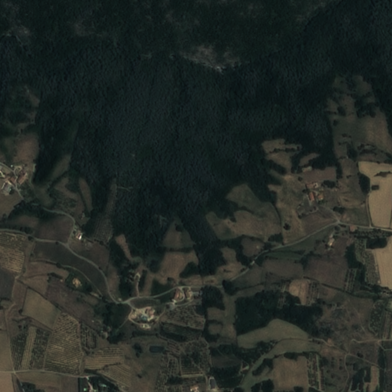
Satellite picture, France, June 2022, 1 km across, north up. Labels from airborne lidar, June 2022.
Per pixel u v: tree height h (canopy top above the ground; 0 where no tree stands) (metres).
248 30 7
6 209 0
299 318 8
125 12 11
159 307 0
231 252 0
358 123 0
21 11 10
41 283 0
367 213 0
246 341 0
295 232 0
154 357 0
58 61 16
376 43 16
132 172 9
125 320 0
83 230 7
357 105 11
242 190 0
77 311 0
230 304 0
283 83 12
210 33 12
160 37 9
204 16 6
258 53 13
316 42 11
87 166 15
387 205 0
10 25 11
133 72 11
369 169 0
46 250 0
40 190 0
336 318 0
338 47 17
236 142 17
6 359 0
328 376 0
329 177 0
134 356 0
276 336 0
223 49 7
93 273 0
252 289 0
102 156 13
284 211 0
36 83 12
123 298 0
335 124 8
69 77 19
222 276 0
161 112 9
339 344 0
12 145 0
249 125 12
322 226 0
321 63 12
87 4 12
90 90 7
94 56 17
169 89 11
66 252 0
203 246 7
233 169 10
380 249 0
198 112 11
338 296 0
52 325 0
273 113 19
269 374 0
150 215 12
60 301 0
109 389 10
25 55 17
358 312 0
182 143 13
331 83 10
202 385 0
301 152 7
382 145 0
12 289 0
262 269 0
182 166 15
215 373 9
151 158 12
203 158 17
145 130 14
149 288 0
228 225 0
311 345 0
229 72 13
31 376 0
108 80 14
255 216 0
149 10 8
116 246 6
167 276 0
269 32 9
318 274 0
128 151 10
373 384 0
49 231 0
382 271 0
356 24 11
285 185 0
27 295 0
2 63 8
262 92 21
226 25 13
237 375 6
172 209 12
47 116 15
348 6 21
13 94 6
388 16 18
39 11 12
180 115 20
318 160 6
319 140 8
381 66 10
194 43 8
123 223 7
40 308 0
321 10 13
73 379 0
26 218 0
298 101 9
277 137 11
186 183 11
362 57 11
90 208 0
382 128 0
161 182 21
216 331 0
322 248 0
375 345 0
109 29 12
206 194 14
